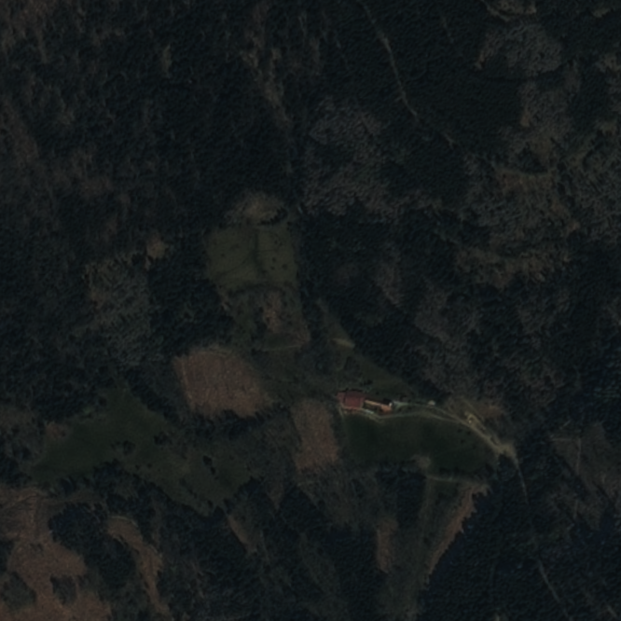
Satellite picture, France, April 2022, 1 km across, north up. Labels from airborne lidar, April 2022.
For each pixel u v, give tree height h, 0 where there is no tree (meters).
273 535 25
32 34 19
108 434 0
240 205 28
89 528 26
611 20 26
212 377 0
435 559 0
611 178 31
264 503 28
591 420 34
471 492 0
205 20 21
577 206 31
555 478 27
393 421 0
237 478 0
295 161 25
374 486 25
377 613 28
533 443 32
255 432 21
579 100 36
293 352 0
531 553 19
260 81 26
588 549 24
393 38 20
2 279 22
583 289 28
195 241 30
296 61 27
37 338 17
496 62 24
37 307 22
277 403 0
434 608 33
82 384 22
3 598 18
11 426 7
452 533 0
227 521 27
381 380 0
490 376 30
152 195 25
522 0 16
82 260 19
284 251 0
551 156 10
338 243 25
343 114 23
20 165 16
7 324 24
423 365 27
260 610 25
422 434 0
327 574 23
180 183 28
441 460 0
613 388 33
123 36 19
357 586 29
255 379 0
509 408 27
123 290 36
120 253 21
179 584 27
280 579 23
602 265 27
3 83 20
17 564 0
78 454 0
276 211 0
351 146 24
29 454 30
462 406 0
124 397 0
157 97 26
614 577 24
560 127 32
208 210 27
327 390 0
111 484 9
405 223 21
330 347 22
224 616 31
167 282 35
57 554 0
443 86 23
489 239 30
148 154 31
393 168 29
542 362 30
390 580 23
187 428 18
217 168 32
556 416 30
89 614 0
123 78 23
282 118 30
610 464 0
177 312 31
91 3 21
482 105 25
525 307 27
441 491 0
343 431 16
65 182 21
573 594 21
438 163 25
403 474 25
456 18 28
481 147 23
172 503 24
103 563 24
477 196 24
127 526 0
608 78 26
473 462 0
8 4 21
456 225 28
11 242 17
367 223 26
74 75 23
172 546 29
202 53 33
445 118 25
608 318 29
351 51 29
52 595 0
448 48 26
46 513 0
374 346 34
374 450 0
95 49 23
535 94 28
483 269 15
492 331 28
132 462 0
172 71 19
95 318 20
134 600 29
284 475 21
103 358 27
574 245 33
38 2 22
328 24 30
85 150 21
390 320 25
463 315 26
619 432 28
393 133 23
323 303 8
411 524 24
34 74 20
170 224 25
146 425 0
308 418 0
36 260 16
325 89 30
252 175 29
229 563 31
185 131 27
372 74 28
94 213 18
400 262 22
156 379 27
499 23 22
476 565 40
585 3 26
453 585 35
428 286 24
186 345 30
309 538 14
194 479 0
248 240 0
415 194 32
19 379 18
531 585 32
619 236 34
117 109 26
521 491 27
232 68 29
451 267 27
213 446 16
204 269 28
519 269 8
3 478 16
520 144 21
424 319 22
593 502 28
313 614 20
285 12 31
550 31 31
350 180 26
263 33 25
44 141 20
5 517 0
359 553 32
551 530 22
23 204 17
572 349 30
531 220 28
